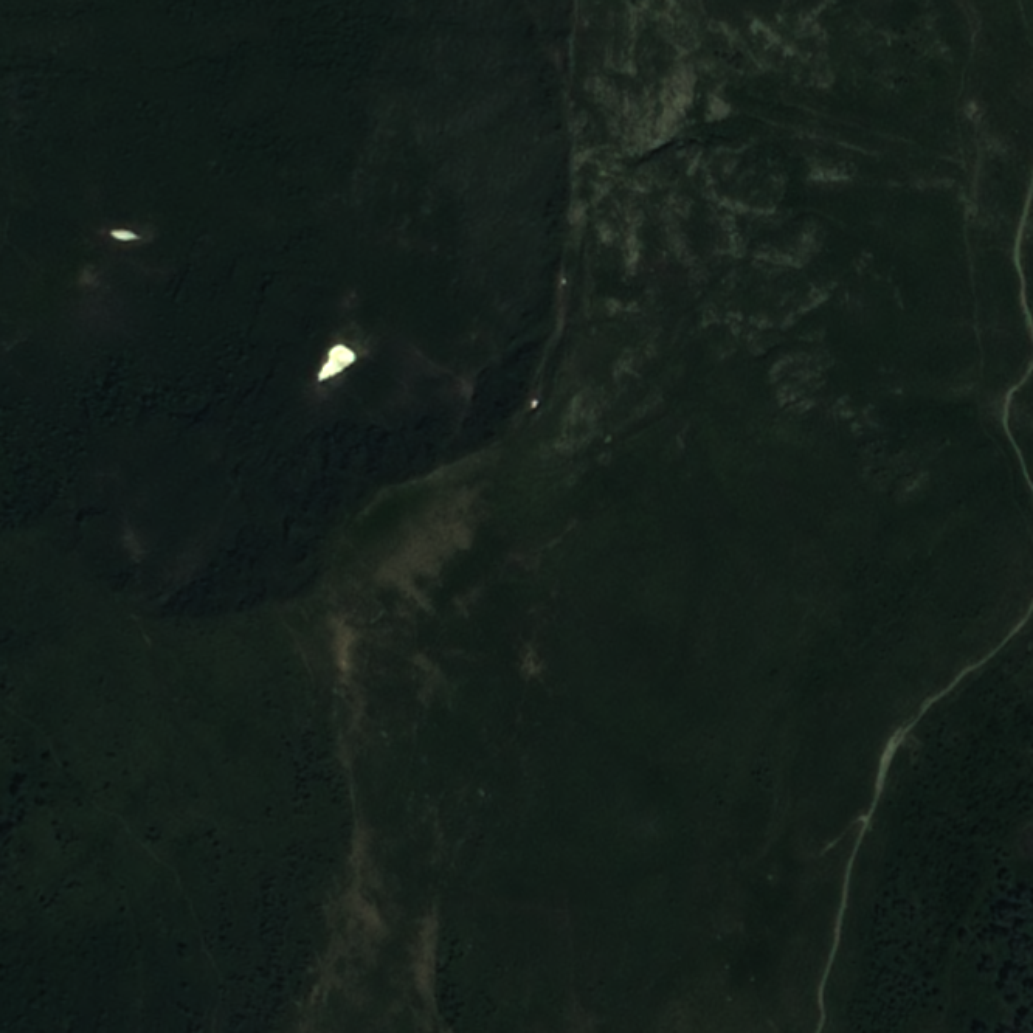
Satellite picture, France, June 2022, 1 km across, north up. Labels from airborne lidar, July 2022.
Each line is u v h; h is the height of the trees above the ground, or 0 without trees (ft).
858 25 0
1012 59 0
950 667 0
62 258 0
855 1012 20
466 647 0
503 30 0
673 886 0
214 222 0
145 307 0
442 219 0
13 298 0
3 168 0
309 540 0
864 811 0
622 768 0
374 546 0
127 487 0
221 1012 0
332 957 0
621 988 0
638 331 0
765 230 0
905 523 0
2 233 0
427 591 0
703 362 0
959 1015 21
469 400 0
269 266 0
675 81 0
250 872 0
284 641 0
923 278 0
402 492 0
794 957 0
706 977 0
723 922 0
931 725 0
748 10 0
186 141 0
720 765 0
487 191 0
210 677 0
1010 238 0
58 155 0
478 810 0
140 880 0
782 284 0
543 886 0
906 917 41
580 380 0
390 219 0
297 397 0
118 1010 0
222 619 0
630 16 0
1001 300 0
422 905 0
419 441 0
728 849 0
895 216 0
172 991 0
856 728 0
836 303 0
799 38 0
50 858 0
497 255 0
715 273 0
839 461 0
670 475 0
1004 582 0
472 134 0
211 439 0
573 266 0
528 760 0
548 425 0
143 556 0
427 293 0
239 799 0
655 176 0
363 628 0
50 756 31
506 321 0
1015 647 0
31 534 0
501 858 0
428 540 0
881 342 0
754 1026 0
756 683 0
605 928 0
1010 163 0
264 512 0
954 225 0
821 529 0
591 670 0
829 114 0
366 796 0
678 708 0
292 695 0
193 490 0
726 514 0
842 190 0
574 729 0
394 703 0
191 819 0
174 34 0
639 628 0
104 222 0
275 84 0
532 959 0
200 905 0
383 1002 0
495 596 0
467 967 0
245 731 0
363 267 0
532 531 0
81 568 0
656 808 0
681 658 0
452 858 0
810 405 0
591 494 0
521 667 0
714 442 0
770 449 0
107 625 0
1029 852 0
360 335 0
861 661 0
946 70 0
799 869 0
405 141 0
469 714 0
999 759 25
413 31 0
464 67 0
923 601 0
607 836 0
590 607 0
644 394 0
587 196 0
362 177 0
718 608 0
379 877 0
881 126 0
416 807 0
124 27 0
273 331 0
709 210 0
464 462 0
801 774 0
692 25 0
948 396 0
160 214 0
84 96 0
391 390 0
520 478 0
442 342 0
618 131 0
